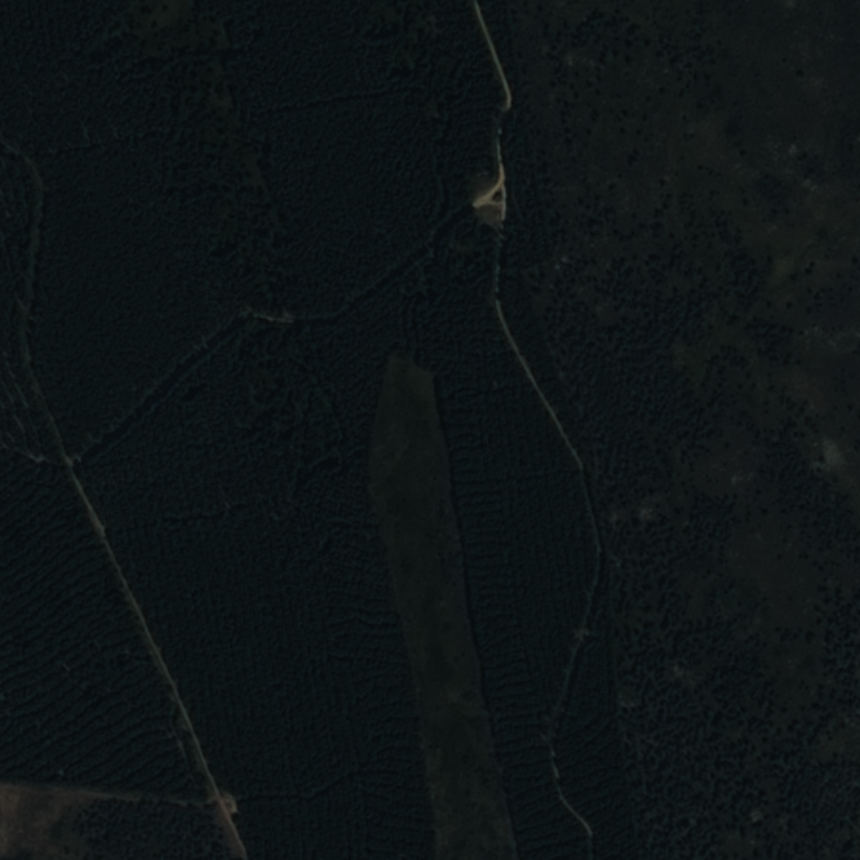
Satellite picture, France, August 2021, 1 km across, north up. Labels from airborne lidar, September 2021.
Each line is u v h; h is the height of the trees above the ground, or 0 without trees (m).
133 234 17
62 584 17
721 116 0
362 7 20
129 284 18
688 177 0
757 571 0
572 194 0
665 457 9
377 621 17
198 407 19
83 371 16
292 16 19
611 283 9
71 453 18
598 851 13
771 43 0
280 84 18
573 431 16
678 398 13
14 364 15
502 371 12
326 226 14
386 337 21
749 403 0
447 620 0
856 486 0
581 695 16
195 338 18
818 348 0
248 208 12
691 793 7
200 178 7
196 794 14
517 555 16
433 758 0
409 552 0
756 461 0
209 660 16
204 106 12
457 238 23
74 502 17
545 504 17
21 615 17
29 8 19
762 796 16
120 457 16
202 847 9
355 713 17
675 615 12
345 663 18
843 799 12
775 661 0
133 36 11
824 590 11
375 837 21
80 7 16
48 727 12
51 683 13
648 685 8
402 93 23
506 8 17
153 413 20
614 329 11
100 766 15
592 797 14
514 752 14
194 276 19
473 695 0
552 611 18
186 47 7
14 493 15
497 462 18
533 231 18
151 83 21
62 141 15
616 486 8
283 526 15
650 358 11
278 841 16
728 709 10
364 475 18
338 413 23
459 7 16
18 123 14
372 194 14
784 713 8
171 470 17
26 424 15
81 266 17
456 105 19
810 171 8
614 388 11
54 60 14
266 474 16
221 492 17
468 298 19
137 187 18
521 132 17
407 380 0
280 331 9
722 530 11
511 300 16
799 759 10
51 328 18
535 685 15
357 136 15
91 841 8
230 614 14
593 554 15
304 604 19
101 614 14
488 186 0
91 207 15
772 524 0
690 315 8
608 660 16
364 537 20
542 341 17
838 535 8
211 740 10
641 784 14
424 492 0
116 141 17
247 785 13
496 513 18
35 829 0
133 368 17
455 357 20
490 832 0
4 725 12
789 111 0
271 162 21
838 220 0
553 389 18
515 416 16
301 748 15
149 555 20
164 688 11
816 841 13
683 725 12
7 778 12
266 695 15
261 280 7
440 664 0
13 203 16
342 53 17
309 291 22
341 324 19
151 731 13
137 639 18
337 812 19
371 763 20
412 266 21
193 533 18
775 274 0
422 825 18
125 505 21
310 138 18
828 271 0
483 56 21
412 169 18
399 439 0
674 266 9
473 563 13
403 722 20
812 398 0
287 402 10
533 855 16
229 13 22
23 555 15
